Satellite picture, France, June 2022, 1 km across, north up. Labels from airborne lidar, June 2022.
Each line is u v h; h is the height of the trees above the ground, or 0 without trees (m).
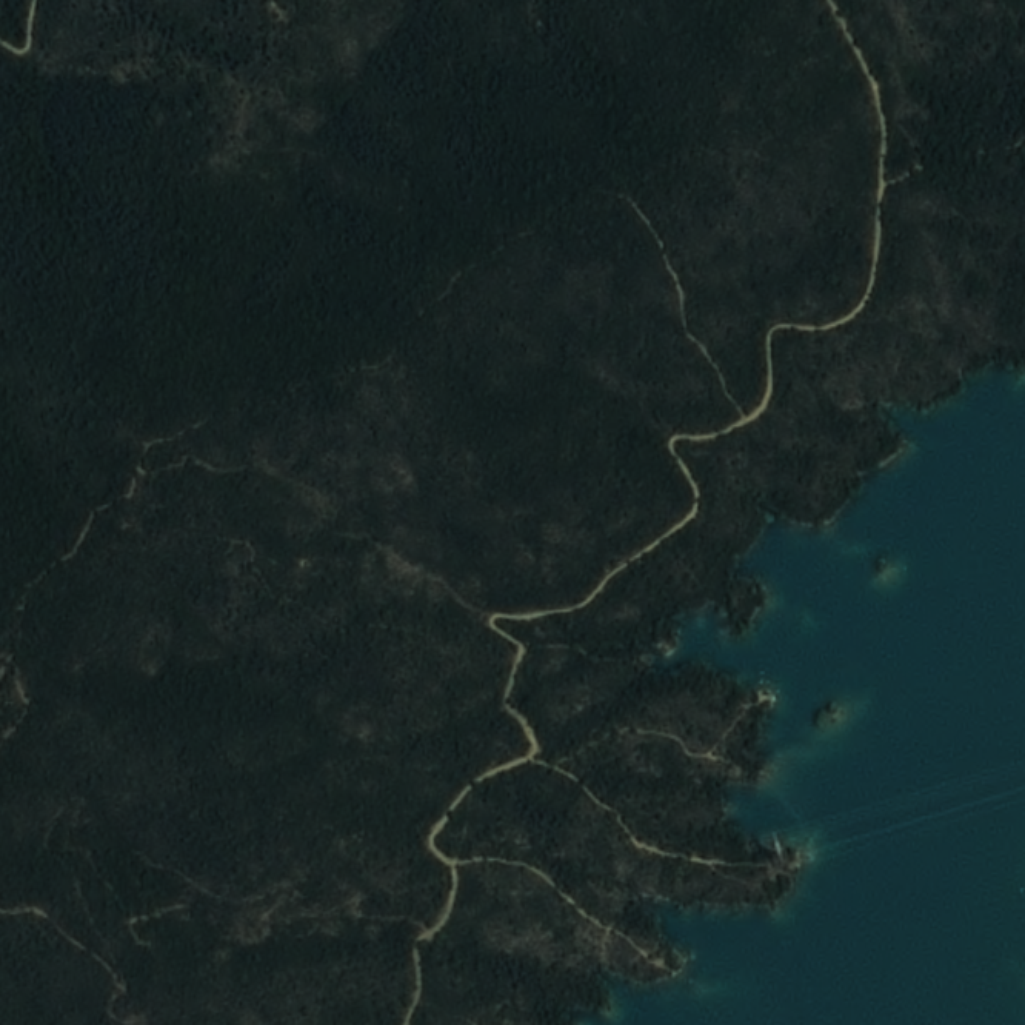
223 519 9
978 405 0
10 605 5
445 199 5
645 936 6
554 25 11
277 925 7
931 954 0
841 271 5
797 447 7
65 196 11
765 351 7
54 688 6
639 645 9
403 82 12
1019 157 7
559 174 8
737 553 6
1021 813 0
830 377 7
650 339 7
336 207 12
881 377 0
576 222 8
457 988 8
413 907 6
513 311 7
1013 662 0
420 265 9
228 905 7
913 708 0
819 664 0
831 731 0
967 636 0
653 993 0
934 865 0
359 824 7
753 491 7
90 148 11
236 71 13
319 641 9
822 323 7
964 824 0
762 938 0
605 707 7
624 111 7
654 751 8
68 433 8
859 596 0
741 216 7
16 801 6
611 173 7
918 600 0
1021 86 8
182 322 7
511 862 6
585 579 6
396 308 10
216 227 8
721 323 9
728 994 0
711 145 7
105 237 11
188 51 12
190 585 12
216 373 10
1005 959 0
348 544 12
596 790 10
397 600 6
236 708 6
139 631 8
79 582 9
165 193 7
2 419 9
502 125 6
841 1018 0
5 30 6
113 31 7
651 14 6
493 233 6
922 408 8
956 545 0
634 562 5
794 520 6
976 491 0
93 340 6
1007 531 0
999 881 0
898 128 7
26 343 6
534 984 10
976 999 0
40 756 6
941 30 6
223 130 6
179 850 6
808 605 0
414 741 9
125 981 6
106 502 8
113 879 10
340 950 6
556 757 7
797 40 7
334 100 8
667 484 6
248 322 8
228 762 7
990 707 0
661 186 6
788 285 6
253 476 7
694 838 6
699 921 0
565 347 10
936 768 0
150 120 6
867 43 5
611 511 9
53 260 11
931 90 7
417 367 7
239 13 10
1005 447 0
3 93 16
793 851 11
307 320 10
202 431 6
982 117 8
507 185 10
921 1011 0
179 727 8
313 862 8
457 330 8
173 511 8
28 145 9
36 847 8
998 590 0
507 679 7
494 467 7
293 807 8
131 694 10
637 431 10
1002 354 8
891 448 8
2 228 9
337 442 8
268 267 12
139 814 7
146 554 5
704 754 0
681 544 6
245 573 8
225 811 9
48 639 9
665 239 9
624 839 7
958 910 0
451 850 7
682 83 5
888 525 0
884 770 0
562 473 6
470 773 7
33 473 6
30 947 7
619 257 8
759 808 0
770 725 0
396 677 6
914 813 0
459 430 8
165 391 9
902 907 0
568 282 7
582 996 5
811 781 0
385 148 13
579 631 8
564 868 12
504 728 7
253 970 7
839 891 0
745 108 6
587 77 11
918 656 0
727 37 6
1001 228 7
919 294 0
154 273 14
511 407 6
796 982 0
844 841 0
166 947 8
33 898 6
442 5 8
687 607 6
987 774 0
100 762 6
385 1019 8
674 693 8
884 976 0
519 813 7
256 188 7
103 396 6
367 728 0
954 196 6
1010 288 6
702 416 7
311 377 8
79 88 11
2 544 8
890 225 6
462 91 8
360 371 6
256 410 9
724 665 0
